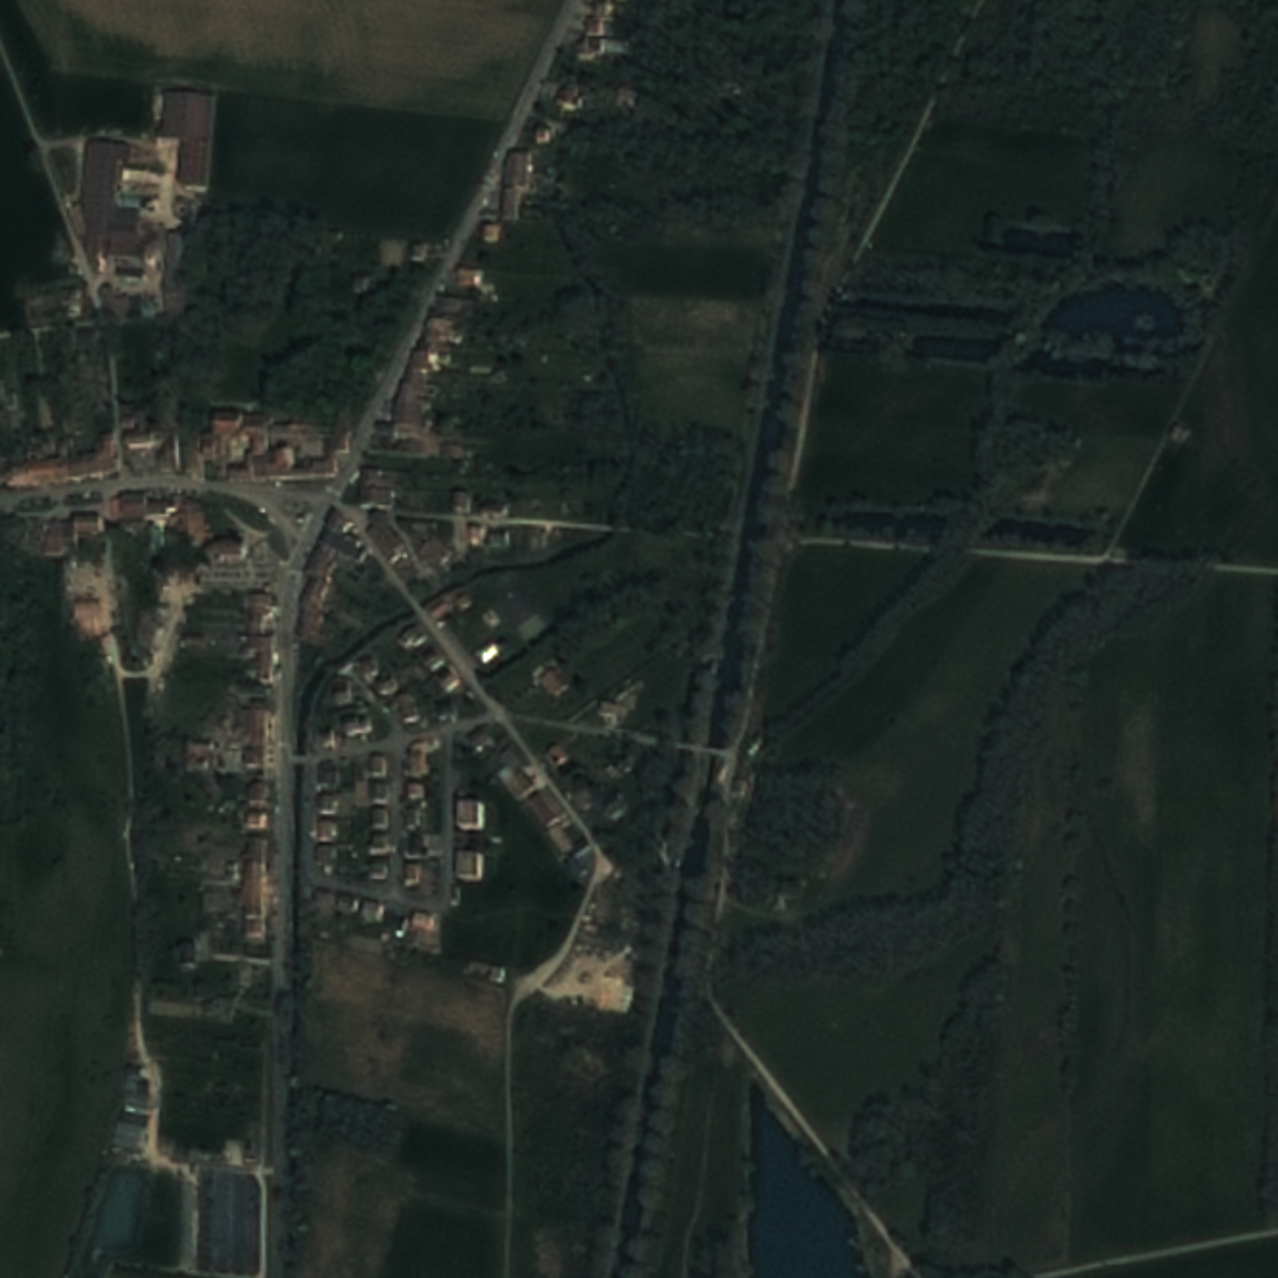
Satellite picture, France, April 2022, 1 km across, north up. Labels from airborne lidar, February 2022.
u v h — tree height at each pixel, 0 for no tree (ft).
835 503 33
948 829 0
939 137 0
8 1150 0
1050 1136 0
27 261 0
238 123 0
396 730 0
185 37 0
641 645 0
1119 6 90
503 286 0
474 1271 0
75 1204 0
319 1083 0
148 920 65
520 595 0
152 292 0
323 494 0
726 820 85
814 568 0
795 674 0
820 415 0
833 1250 0
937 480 0
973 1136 94
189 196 0
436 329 0
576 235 70
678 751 45
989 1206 0
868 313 51
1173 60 73
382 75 0
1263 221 0
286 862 0
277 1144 0
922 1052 0
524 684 0
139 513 0
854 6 52
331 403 70
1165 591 65
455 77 0
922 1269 52
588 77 28
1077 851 40
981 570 0
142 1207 0
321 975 0
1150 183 0
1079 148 0
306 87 0
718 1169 0
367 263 0
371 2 0
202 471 0
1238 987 0
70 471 0
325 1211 0
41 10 0
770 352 49
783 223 70
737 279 0
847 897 0
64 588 18
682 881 65
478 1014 0
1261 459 0
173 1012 0
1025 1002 0
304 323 57
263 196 0
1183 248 68
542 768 0
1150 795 0
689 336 0
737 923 0
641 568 0
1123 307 0
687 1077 62
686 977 58
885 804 0
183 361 46
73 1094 0
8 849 0
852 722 0
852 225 0
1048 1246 0
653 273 0
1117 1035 0
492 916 0
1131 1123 0
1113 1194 0
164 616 0
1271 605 0
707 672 46
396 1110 35
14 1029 0
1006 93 51
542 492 0
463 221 0
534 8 0
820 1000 0
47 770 0
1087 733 0
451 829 0
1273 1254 0
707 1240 0
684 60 107
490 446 0
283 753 0
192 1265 0
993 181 0
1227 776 0
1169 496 0
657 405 0
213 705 0
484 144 0
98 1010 0
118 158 0
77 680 0
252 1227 0
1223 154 0
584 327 85
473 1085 0
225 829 0
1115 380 70
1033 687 70
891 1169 80
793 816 80
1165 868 0
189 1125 0
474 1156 0
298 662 0
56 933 0
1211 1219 0
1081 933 30
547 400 0
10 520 19
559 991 0
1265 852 0
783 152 73
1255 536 0
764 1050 0
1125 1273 0
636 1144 74
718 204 73
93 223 0
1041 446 74
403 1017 0
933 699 0
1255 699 0
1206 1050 0
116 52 0
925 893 0
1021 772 71
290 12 0
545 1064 0
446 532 0
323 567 0
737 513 68
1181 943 0
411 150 0
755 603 68
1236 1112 0
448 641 0
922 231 0
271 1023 0
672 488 50
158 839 49
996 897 75
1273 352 0
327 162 0
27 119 0
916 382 0
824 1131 0
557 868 0
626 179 0
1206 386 0
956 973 0
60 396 28
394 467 0
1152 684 0
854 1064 0
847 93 73
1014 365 51
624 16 0
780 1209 0
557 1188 21
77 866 0
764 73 90
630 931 0
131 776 0
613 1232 72
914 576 0
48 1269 0
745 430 0
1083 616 83
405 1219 0
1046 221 61
